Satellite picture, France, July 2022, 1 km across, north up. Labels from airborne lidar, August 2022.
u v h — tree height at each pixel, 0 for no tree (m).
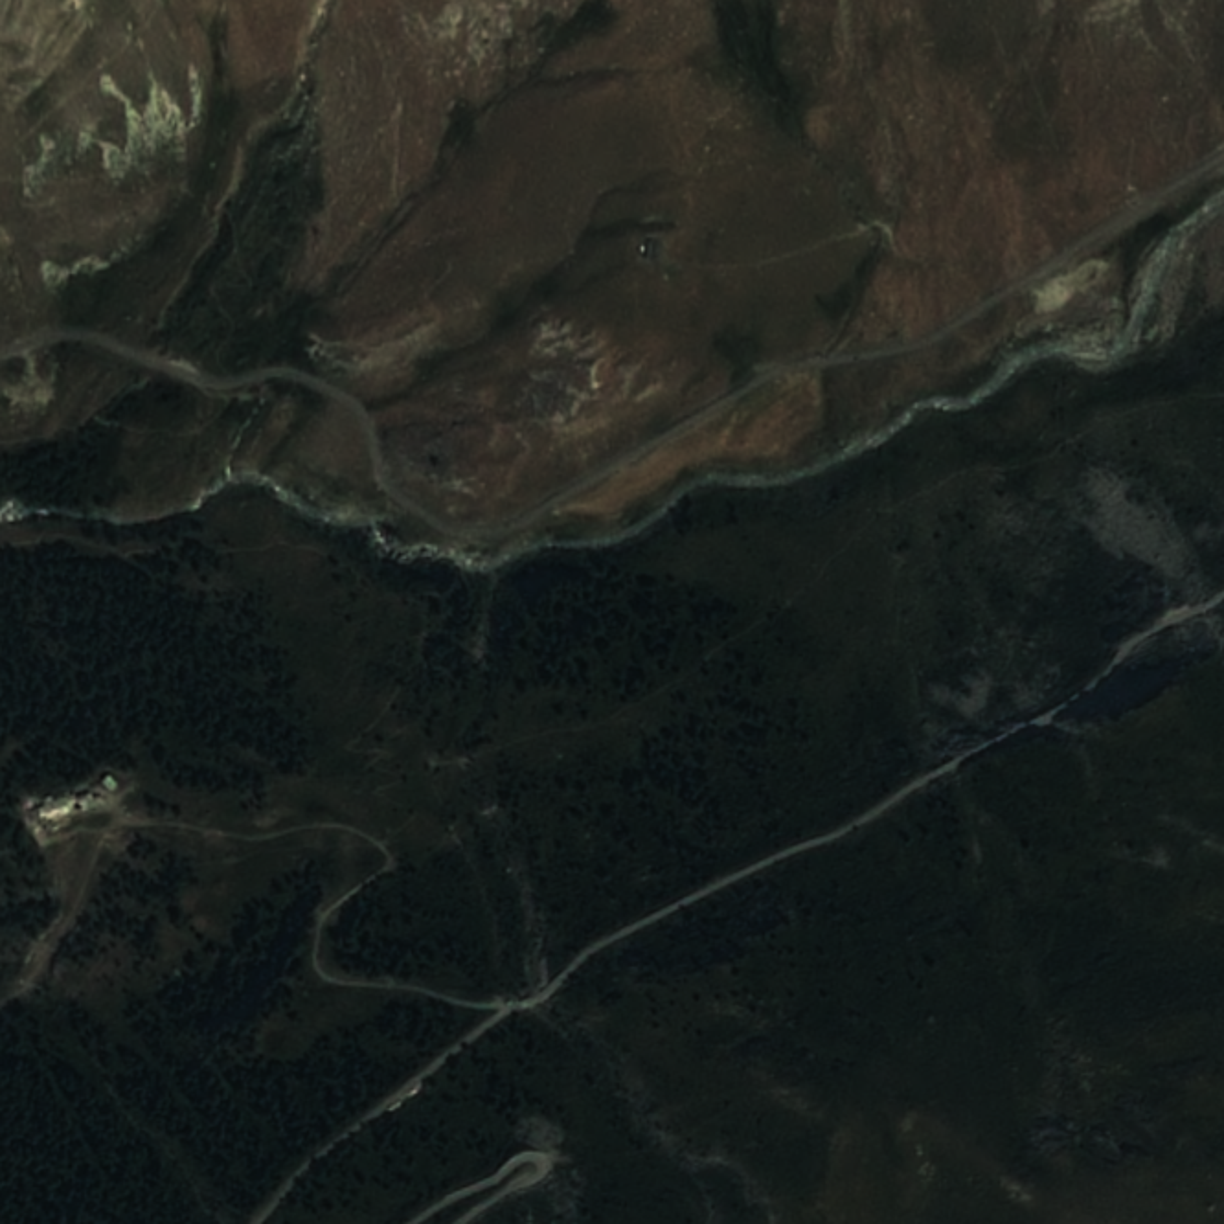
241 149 0
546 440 0
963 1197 0
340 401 0
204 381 0
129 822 0
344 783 0
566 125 0
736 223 0
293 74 0
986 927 0
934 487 0
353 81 0
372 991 0
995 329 0
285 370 0
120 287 0
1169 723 0
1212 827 0
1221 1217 0
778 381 0
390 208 0
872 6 0
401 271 0
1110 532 0
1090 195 0
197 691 14
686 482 0
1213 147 0
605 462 0
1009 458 0
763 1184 0
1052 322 0
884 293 0
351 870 0
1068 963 0
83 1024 13
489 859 7
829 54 0
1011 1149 0
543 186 0
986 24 0
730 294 0
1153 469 0
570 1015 0
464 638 10
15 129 0
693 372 0
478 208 0
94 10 0
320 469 0
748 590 0
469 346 0
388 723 0
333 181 0
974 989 0
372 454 0
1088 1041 0
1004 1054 0
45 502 8
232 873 0
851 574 0
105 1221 21
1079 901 0
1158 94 0
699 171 0
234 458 0
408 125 0
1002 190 0
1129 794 0
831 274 0
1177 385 0
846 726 0
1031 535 0
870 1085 0
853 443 0
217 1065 6
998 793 0
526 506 0
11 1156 22
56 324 0
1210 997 0
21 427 0
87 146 0
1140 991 0
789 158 0
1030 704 0
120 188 0
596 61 0
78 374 0
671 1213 0
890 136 0
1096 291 0
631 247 0
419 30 0
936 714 0
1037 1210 0
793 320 0
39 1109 20
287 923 8
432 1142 7
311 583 0
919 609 0
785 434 0
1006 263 0
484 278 0
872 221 0
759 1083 0
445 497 0
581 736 0
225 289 0
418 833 0
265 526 0
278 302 0
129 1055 13
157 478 0
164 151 0
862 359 0
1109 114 0
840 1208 0
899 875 0
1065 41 0
